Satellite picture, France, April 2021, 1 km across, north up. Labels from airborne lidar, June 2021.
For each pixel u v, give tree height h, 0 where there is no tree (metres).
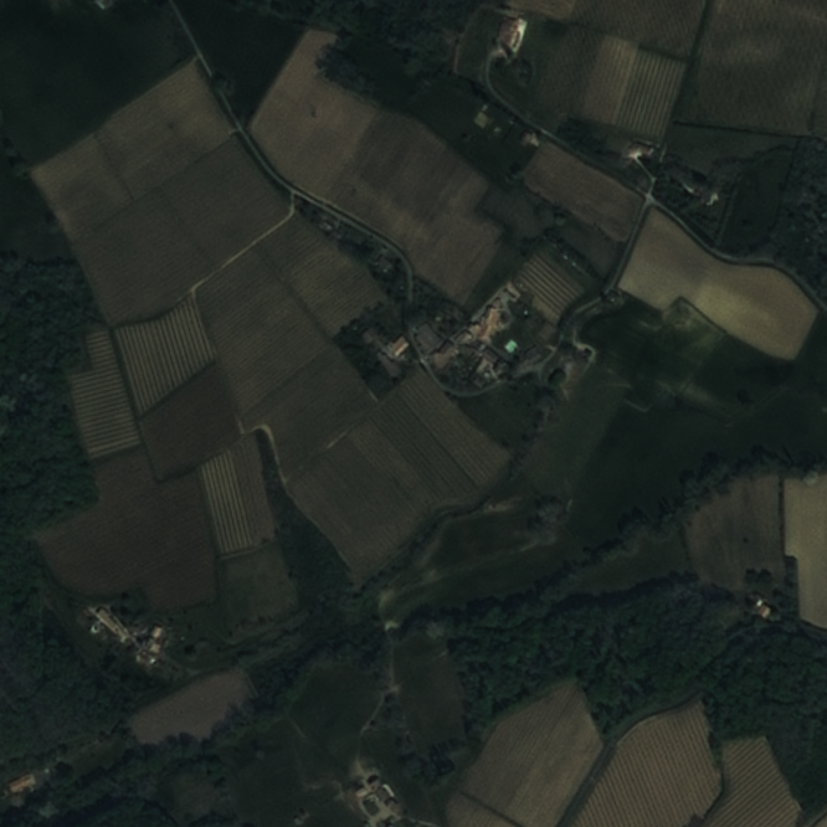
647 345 0
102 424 0
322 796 0
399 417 0
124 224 0
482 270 0
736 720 22
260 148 0
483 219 0
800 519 0
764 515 0
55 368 10
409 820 7
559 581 12
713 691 14
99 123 0
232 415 0
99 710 19
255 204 0
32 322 11
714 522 0
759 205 0
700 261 0
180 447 0
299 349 0
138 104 0
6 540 24
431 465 0
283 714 14
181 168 0
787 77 0
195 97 0
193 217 0
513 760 0
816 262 15
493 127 0
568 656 25
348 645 16
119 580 0
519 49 0
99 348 0
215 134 0
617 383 0
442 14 12
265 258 0
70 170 0
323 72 14
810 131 0
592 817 0
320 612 18
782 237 5
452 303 6
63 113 0
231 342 0
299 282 0
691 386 0
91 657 0
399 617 0
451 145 0
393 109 0
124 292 0
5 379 18
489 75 0
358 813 0
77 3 0
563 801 0
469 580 0
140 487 0
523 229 0
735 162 11
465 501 0
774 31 0
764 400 0
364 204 0
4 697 17
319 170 0
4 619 25
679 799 0
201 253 0
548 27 0
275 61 0
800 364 0
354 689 0
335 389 0
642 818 0
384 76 0
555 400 23
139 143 0
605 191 0
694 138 0
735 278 0
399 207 0
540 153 0
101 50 0
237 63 0
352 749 0
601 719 17
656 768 0
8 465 23
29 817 17
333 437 0
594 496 0
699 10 0
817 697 22
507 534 0
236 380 0
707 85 0
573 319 16
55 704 18
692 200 12
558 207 5
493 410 0
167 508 0
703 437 0
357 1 20
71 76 0
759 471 17
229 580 0
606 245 0
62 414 24
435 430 0
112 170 0
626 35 0
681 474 0
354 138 0
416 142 0
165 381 0
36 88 0
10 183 0
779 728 12
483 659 19
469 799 0
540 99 0
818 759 11
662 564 0
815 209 9
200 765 15
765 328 0
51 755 20
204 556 0
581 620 23
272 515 0
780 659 19
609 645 25
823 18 0
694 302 0
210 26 0
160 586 0
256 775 0
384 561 0
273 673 7
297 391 0
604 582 0
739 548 0
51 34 0
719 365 0
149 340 0
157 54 0
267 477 7
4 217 0
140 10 0
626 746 0
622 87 0
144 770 22
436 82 10
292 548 7
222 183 0
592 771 0
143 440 0
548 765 0
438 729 0
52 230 16
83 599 0
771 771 0
